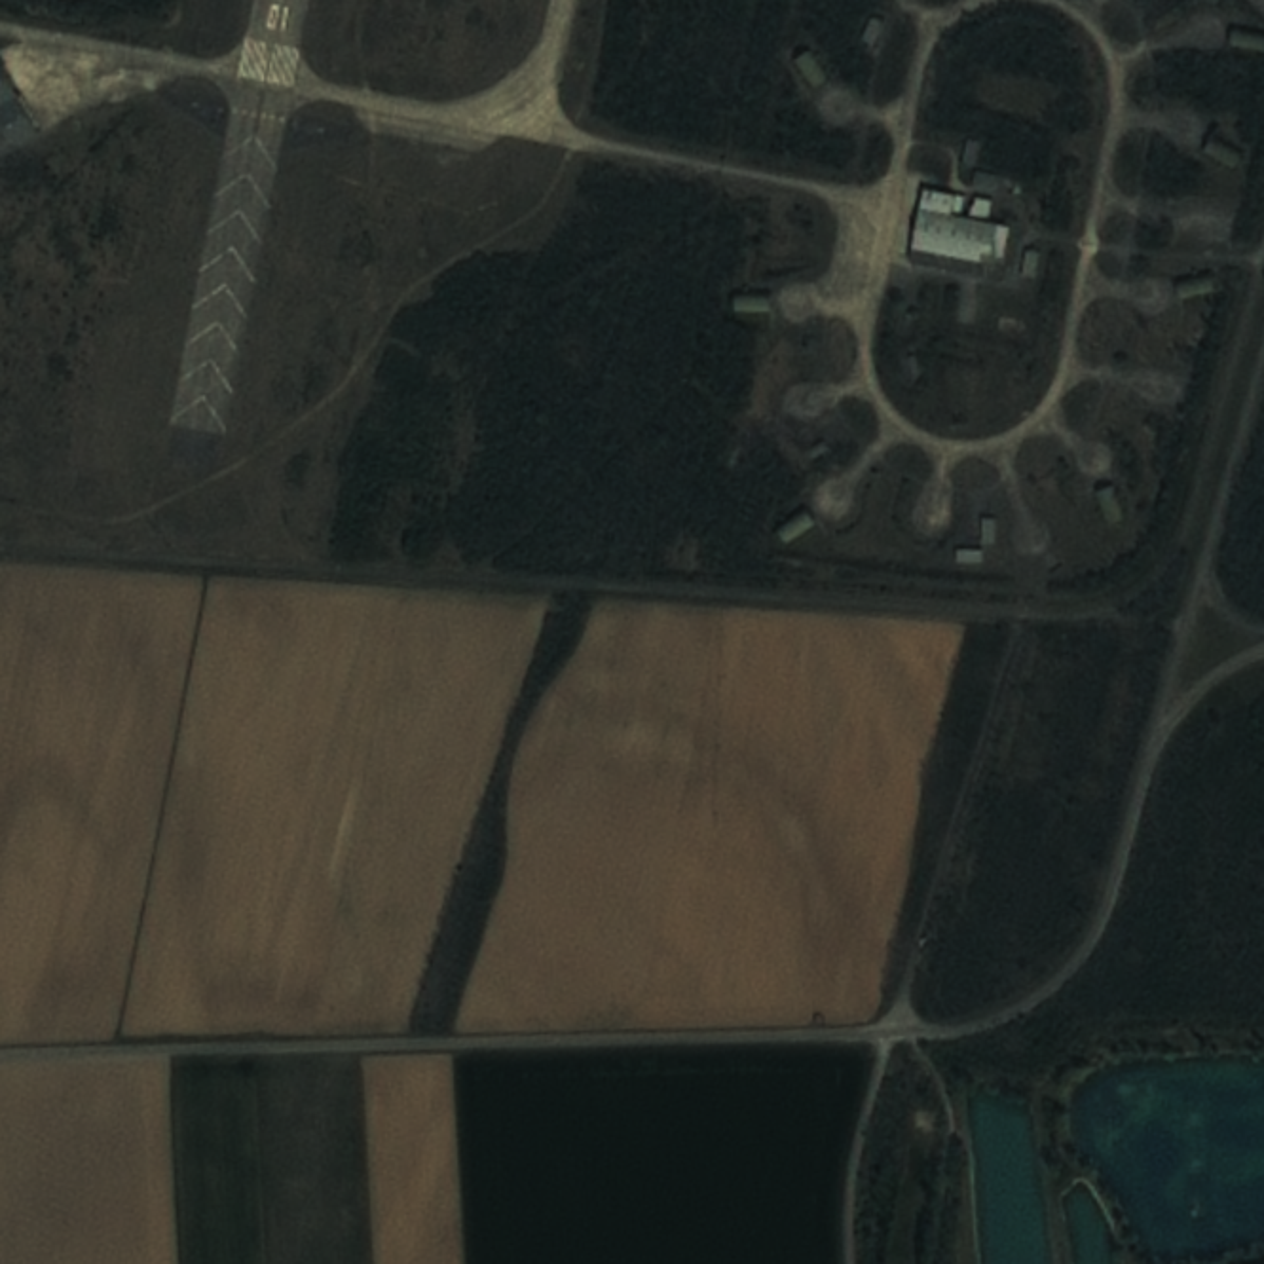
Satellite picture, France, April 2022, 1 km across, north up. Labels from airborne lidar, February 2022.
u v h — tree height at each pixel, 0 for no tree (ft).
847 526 0
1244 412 0
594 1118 0
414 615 0
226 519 0
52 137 0
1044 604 0
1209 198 0
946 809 0
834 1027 0
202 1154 0
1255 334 0
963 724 0
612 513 49
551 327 50
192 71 0
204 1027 0
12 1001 0
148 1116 0
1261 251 0
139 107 0
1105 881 0
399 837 0
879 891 0
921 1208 0
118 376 0
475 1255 0
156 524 0
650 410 43
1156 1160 0
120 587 0
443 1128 0
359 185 0
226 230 0
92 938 0
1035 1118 0
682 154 0
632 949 0
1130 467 26
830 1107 0
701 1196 0
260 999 0
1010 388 0
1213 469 0
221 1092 0
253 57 0
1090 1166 43
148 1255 0
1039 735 0
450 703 0
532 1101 0
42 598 0
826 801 0
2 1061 0
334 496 0
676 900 0
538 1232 0
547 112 0
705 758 0
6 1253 0
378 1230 0
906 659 0
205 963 0
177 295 0
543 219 0
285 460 0
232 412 0
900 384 0
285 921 0
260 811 0
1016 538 0
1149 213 0
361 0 0
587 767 0
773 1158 0
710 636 0
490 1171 0
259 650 0
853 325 0
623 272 36
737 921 0
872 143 0
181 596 0
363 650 0
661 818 0
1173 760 33
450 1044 0
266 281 0
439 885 0
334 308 0
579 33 0
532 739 0
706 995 0
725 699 0
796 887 0
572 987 0
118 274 0
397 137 0
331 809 0
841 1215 0
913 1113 29
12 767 0
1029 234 0
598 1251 0
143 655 0
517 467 20
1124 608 30
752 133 35
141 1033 0
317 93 0
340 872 0
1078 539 0
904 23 0
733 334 50
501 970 0
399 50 0
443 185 0
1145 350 0
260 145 0
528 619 0
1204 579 0
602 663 0
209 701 0
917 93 0
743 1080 0
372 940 0
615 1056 0
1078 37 0
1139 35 0
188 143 0
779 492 41
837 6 46
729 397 34
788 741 0
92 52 0
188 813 0
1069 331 0
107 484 0
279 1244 0
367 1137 0
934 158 0
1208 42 0
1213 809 0
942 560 0
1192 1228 0
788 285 0
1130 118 0
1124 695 0
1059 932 31
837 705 0
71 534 0
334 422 0
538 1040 0
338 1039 0
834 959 0
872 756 0
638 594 0
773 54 42
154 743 0
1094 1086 0
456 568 0
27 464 0
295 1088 0
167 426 0
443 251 0
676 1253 0
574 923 0
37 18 0
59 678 0
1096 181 0
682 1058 0
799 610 0
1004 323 0
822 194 0
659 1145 0
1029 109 0
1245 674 0
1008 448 0
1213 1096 0
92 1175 0
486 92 0
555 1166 0
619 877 0
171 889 0
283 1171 0
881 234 0
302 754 0
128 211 0
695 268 42
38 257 0
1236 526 42
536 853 0
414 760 0
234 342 0
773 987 0
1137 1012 30
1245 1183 0
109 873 0
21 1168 0
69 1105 0
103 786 0
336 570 0
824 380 0
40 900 0
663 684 0
